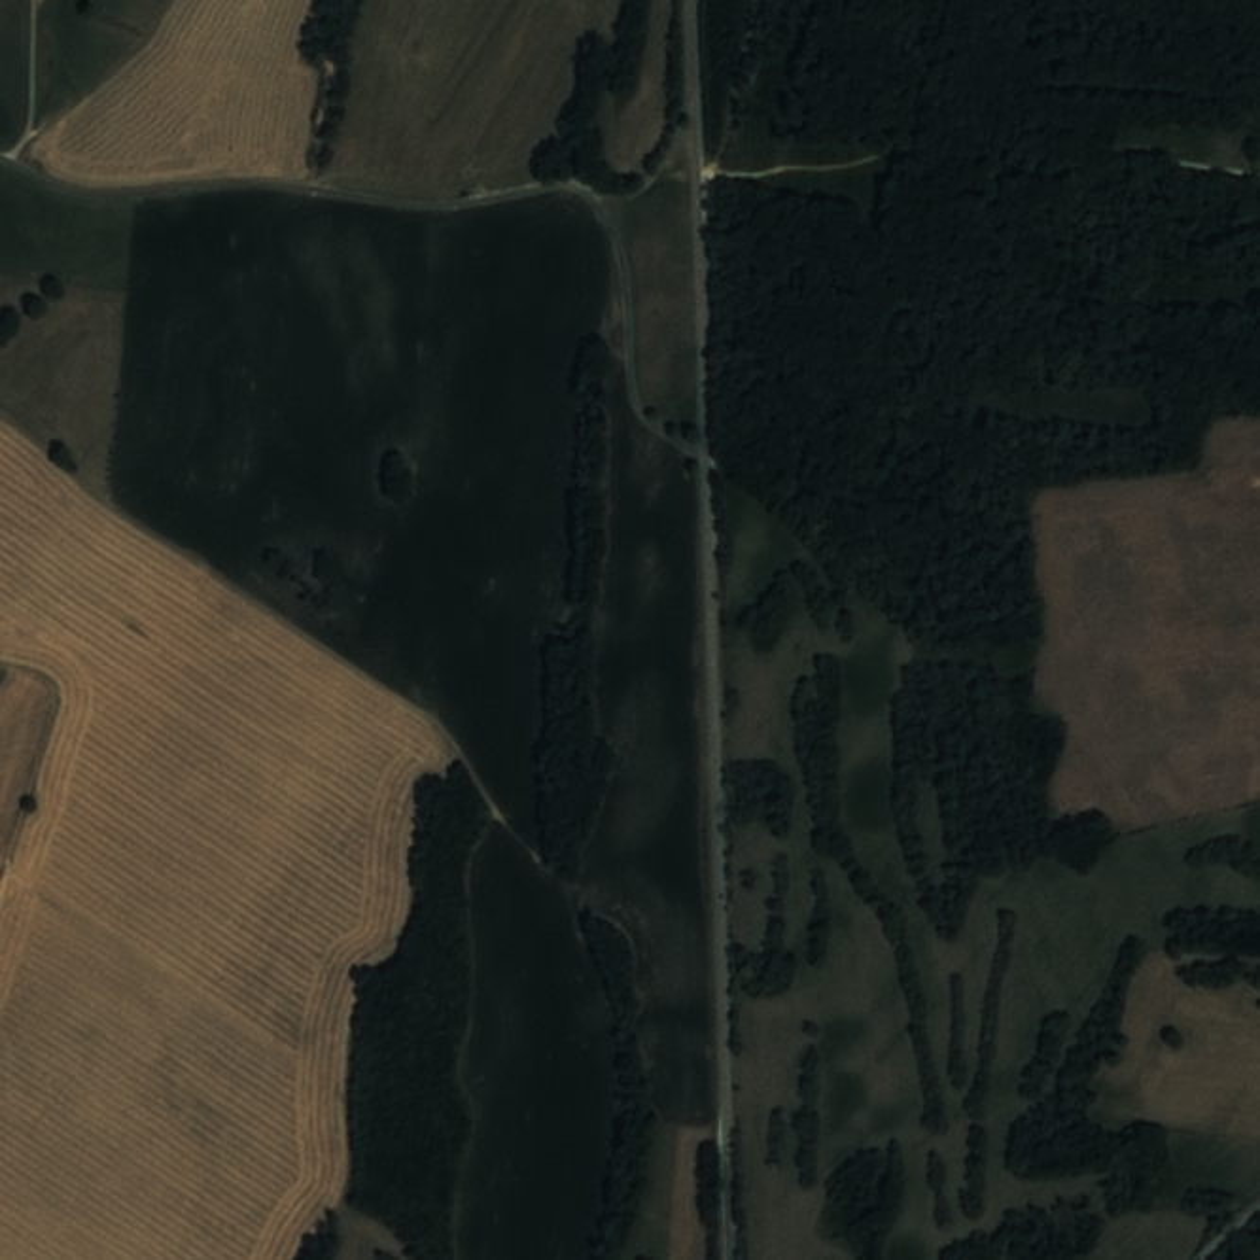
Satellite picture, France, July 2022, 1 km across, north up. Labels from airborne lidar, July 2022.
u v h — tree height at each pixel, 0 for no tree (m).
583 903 0
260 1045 0
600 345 22
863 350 24
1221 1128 0
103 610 0
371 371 0
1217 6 25
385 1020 10
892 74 24
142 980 0
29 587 0
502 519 0
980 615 19
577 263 0
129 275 0
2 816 0
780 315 25
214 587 0
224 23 0
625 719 0
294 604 0
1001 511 15
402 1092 10
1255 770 0
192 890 0
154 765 0
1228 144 0
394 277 0
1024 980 0
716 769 0
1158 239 19
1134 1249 0
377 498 0
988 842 18
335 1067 0
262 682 0
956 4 24
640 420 0
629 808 0
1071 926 0
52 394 0
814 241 24
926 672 6
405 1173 9
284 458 0
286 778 0
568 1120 0
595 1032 0
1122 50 24
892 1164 10
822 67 24
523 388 0
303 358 0
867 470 21
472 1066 0
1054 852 14
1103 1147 16
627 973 14
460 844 12
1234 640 0
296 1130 0
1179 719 0
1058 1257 12
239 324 0
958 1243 9
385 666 0
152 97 0
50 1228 0
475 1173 0
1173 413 23
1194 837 0
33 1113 0
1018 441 18
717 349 17
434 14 0
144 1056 0
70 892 0
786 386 26
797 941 0
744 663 0
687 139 0
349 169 0
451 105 0
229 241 0
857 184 0
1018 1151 17
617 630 0
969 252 22
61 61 0
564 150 16
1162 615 0
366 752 0
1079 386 18
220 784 0
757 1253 0
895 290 25
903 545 22
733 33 7
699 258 0
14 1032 0
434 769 0
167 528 0
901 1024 0
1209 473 0
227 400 0
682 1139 0
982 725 13
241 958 0
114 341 0
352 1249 0
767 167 0
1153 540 0
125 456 0
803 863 0
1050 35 18
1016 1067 0
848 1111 0
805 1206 0
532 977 0
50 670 0
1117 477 15
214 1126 0
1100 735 0
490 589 0
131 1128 0
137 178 0
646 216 0
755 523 0
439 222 0
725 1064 0
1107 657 0
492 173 0
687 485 0
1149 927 0
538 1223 0
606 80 18
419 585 0
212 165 0
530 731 0
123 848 0
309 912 0
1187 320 23
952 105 24
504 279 0
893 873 0
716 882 0
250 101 0
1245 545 0
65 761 0
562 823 19
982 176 15
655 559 0
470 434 0
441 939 12
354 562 0
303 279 0
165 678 0
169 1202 0
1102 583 0
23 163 0
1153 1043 0
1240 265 8
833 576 9
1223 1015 0
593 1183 0
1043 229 20
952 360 17
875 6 22
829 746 14
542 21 0
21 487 0
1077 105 25
